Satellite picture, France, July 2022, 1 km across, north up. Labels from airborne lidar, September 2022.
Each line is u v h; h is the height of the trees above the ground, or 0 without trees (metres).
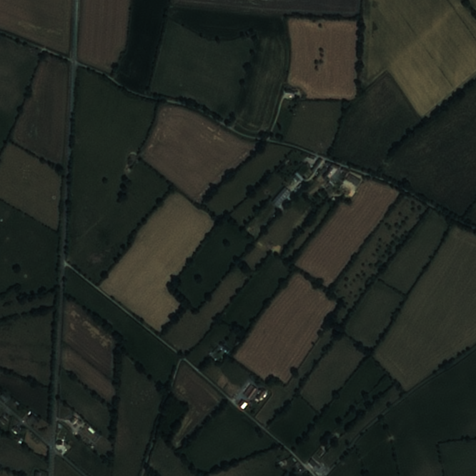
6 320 9
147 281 0
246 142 0
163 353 0
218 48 0
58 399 12
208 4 0
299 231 14
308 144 0
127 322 0
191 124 0
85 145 0
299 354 0
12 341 0
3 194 0
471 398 0
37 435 0
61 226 9
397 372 0
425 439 0
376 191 0
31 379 14
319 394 0
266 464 0
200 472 15
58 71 0
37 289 0
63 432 0
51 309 8
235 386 0
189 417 0
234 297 8
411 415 0
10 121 0
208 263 0
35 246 0
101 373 0
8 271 0
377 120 0
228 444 0
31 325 0
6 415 7
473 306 0
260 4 0
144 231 0
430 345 0
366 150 0
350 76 0
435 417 0
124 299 0
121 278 0
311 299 0
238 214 0
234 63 0
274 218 7
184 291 0
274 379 15
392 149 10
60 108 0
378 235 0
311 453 0
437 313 0
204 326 0
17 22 0
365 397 16
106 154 0
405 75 0
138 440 0
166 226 0
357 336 0
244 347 0
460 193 0
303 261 0
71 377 15
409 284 0
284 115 0
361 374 0
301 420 0
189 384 0
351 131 0
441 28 0
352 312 12
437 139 0
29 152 10
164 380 0
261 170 0
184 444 15
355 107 0
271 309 0
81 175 0
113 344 0
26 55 0
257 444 0
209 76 0
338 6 0
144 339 0
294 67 0
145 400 0
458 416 0
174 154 0
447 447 0
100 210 0
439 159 0
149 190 0
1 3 0
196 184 0
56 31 0
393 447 6
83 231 0
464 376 0
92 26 0
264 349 0
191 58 0
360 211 0
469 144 0
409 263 0
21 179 0
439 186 0
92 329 0
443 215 8
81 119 0
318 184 0
